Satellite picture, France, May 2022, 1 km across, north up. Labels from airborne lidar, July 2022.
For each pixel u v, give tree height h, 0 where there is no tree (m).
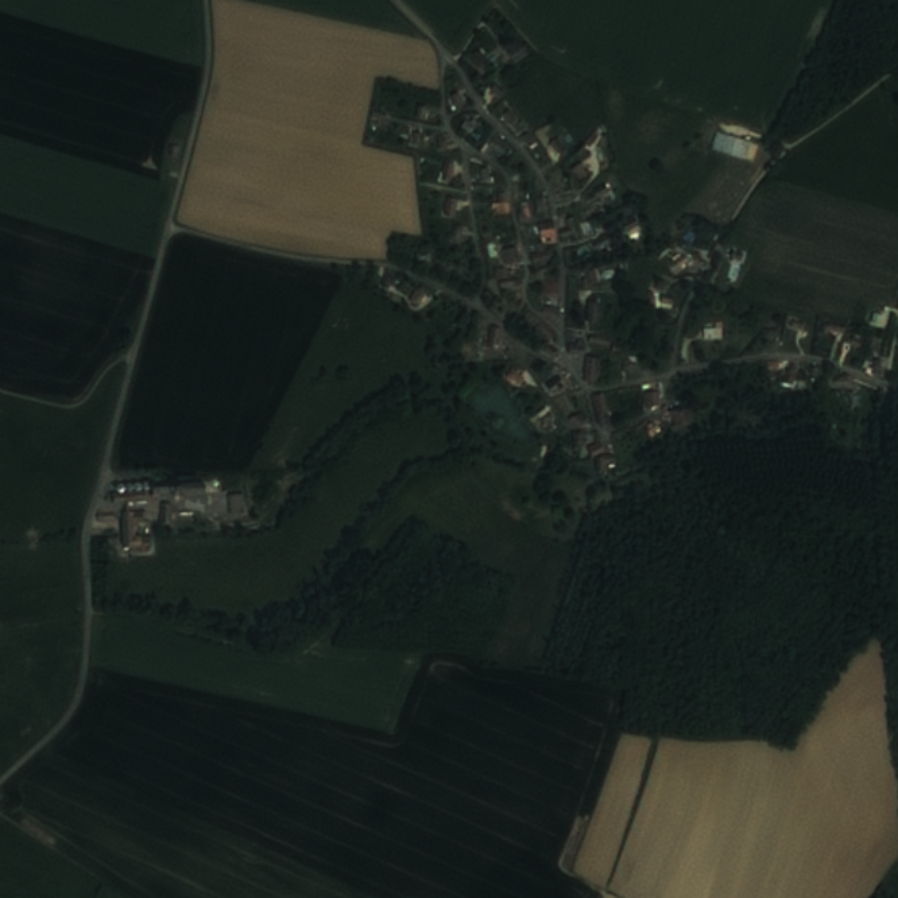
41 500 0
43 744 0
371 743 0
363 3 0
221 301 0
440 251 6
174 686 0
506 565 0
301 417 0
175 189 0
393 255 11
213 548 0
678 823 0
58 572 0
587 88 0
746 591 21
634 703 16
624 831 0
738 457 24
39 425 0
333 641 11
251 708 0
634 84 0
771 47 0
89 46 0
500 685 0
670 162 0
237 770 0
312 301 0
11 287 0
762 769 0
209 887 0
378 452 0
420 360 0
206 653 0
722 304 6
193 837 0
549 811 0
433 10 0
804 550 10
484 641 12
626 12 0
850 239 0
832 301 0
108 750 0
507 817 0
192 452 0
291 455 0
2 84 0
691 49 0
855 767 0
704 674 21
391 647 14
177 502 0
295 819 0
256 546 0
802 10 0
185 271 0
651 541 17
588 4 0
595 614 22
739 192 0
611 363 8
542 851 0
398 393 22
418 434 0
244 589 0
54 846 0
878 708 0
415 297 0
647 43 0
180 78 0
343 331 0
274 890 0
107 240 0
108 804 0
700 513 12
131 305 0
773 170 15
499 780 0
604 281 0
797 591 20
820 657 16
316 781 0
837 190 0
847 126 0
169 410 0
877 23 17
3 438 0
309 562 0
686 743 0
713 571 17
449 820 0
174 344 0
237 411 0
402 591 17
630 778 0
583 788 0
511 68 10
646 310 14
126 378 0
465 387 11
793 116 13
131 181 0
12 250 0
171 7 0
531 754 0
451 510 0
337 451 14
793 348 0
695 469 20
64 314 0
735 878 0
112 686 0
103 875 0
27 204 0
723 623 15
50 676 0
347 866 0
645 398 0
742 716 16
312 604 25
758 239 0
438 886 0
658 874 0
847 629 16
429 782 0
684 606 19
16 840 0
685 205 0
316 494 8
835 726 0
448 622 14
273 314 0
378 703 0
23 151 0
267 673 0
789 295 0
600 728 0
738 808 0
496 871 0
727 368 14
